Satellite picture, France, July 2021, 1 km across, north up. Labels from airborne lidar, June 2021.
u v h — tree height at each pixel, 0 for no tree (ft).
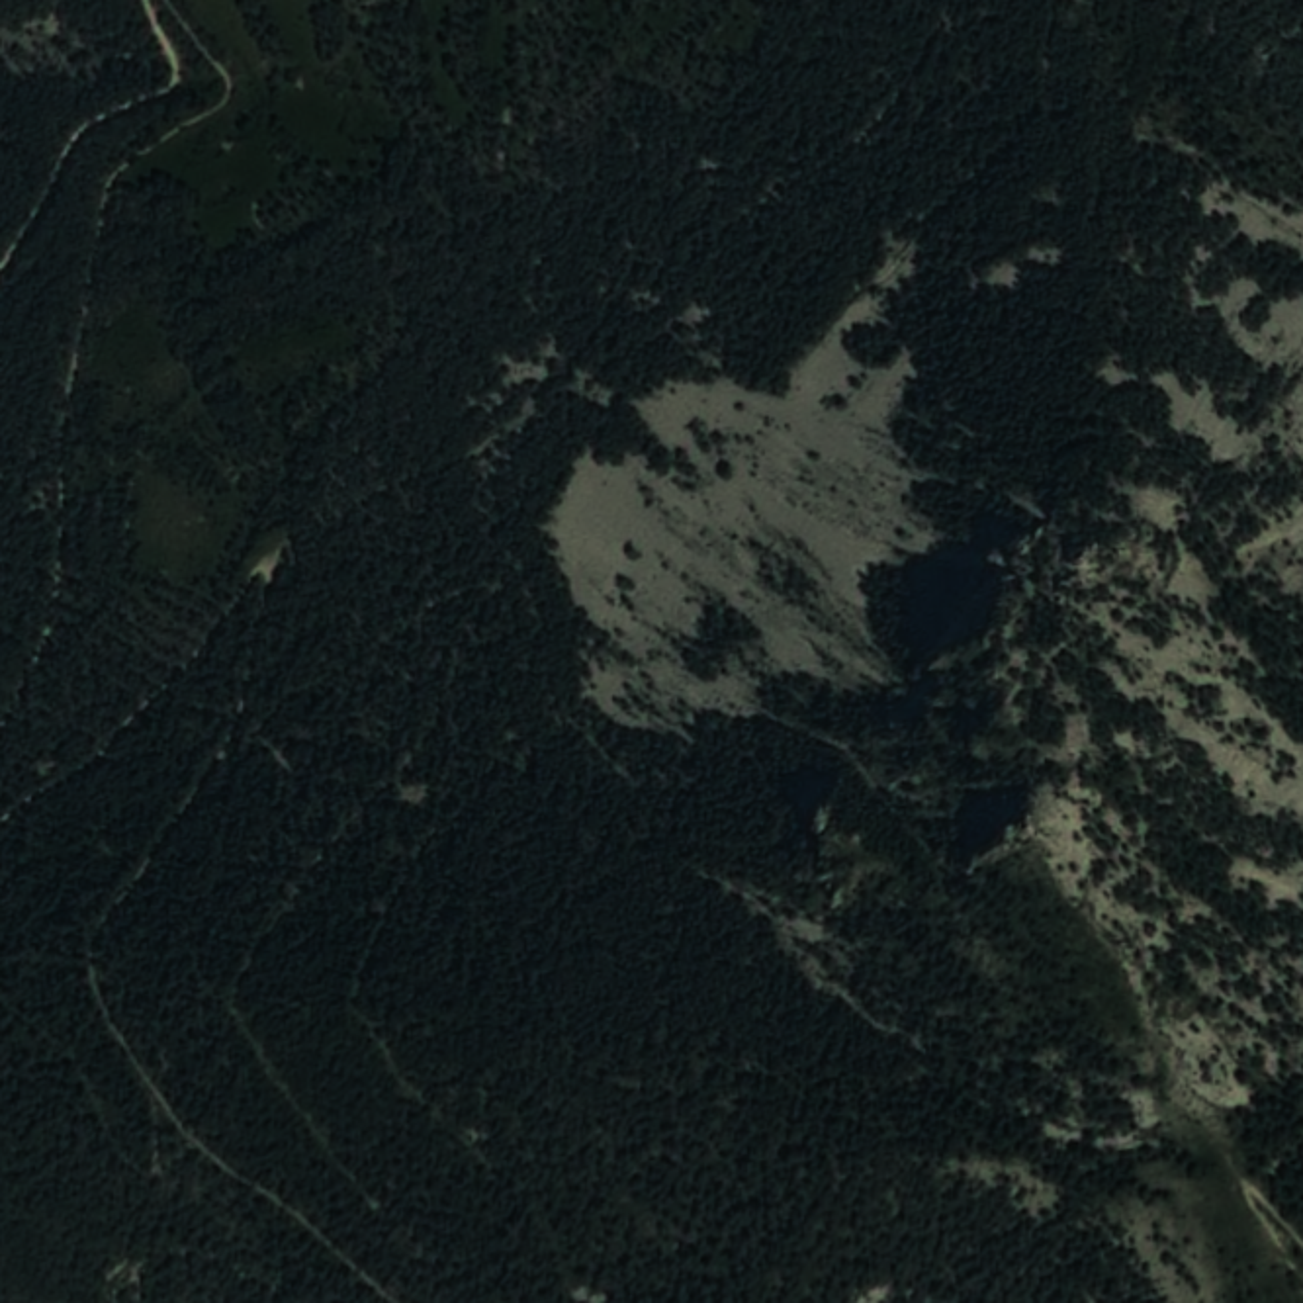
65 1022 40
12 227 40
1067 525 28
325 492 39
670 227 40
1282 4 27
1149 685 0
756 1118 43
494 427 27
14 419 38
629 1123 47
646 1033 30
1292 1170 56
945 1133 20
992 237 43
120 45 39
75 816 27
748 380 26
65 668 49
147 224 21
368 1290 54
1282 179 28
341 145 0
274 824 33
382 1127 26
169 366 0
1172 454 44
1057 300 46
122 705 36
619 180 40
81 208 44
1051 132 55
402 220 41
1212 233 32
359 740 35
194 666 26
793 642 0
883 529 0
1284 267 43
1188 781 36
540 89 36
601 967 48
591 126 37
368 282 58
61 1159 41
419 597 35
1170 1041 0
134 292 50
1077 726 0
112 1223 21
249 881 43
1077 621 21
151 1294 23
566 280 42
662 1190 28
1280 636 60
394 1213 30
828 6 42
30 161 40
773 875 33
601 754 29
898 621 53
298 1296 36
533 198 47
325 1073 28
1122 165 50
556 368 41
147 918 30
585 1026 30
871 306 0
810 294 41
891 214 48
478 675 37
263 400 25
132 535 18
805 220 43
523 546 43
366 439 38
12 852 29
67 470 39
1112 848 40
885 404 0
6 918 25
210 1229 32
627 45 56
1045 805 0
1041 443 47
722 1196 56
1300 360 0
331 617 41
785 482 0
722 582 0
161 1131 46
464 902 30
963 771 48
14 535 47
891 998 32
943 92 34
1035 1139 26
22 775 28
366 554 38
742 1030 40
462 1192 36
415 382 44
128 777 35
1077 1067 28
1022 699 34
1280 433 24
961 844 34
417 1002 34
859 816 37
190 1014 49
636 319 42
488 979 55
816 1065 42
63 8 19
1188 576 0
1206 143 62
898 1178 24
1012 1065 40
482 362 37
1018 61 37
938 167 29
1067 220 46
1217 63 31
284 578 28
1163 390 30
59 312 45
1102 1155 30
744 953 45
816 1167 43
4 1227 38
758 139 40
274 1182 43
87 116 25
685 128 41
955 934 22
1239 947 34
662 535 0
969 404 49
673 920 40
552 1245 22
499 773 44
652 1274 22
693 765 49
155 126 24
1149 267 35
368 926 30
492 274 32
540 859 36
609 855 57
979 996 25
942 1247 45
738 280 50
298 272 27
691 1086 23
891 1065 38
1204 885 45
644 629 0
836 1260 33
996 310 55
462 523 37
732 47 32
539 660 36
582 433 40
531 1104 56
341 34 46
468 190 22
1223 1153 0
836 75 35
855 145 45
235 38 0
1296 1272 18
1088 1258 26
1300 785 0
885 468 0
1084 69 32
